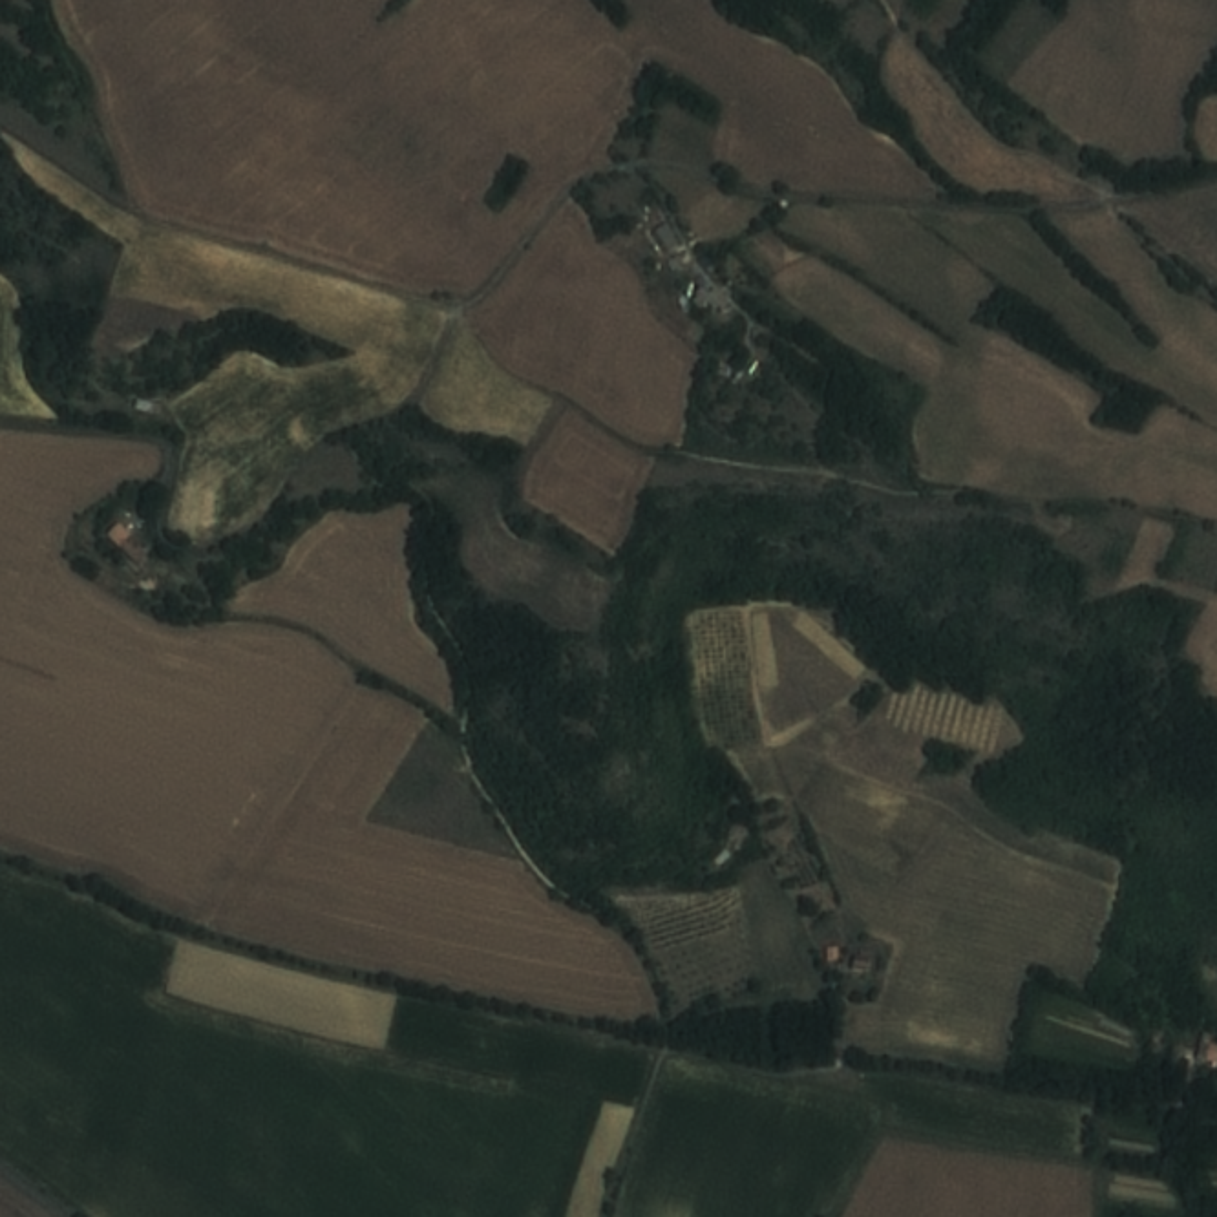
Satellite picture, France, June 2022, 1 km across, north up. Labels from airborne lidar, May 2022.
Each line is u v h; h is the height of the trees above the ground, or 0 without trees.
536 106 0
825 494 6
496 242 0
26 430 0
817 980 0
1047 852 0
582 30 0
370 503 14
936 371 0
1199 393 0
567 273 0
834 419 9
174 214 0
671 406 0
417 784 0
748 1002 0
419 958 0
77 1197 0
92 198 0
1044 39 0
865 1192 0
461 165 0
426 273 0
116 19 0
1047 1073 14
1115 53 0
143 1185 0
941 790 0
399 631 0
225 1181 0
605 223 8
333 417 0
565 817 8
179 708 0
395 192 0
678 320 0
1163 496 0
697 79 0
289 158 0
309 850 0
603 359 0
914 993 0
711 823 7
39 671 0
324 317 0
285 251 0
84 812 0
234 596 11
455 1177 0
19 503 0
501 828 9
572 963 0
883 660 21
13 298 0
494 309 0
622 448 0
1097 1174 0
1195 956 14
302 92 0
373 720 0
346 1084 0
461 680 12
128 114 0
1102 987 6
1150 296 0
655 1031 18
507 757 11
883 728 0
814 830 7
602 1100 0
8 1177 0
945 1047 0
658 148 0
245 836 0
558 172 0
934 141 0
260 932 0
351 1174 0
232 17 0
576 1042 0
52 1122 0
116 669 0
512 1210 0
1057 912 0
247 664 0
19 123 0
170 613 14
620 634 7
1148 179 15
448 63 0
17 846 0
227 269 0
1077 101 0
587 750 6
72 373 7
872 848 0
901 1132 0
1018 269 0
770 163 0
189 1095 0
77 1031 0
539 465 0
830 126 0
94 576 9
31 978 0
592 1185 0
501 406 0
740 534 8
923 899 0
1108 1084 17
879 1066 16
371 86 0
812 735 0
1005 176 0
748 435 8
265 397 0
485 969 0
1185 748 8
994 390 0
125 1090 0
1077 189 0
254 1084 0
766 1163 0
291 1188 0
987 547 6
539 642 13
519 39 0
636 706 10
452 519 8
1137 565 0
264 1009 0
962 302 0
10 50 16
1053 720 7
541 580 0
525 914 0
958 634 13
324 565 0
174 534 12
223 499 0
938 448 0
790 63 0
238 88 0
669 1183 0
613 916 16
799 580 9
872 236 0
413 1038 0
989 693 8
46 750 0
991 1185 0
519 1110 0
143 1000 0
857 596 16
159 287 0
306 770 0
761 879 0
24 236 9
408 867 0
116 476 0
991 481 0
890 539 6
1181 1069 14
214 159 0
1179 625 8
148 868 0
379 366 0
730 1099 0
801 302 0
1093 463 0
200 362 8
